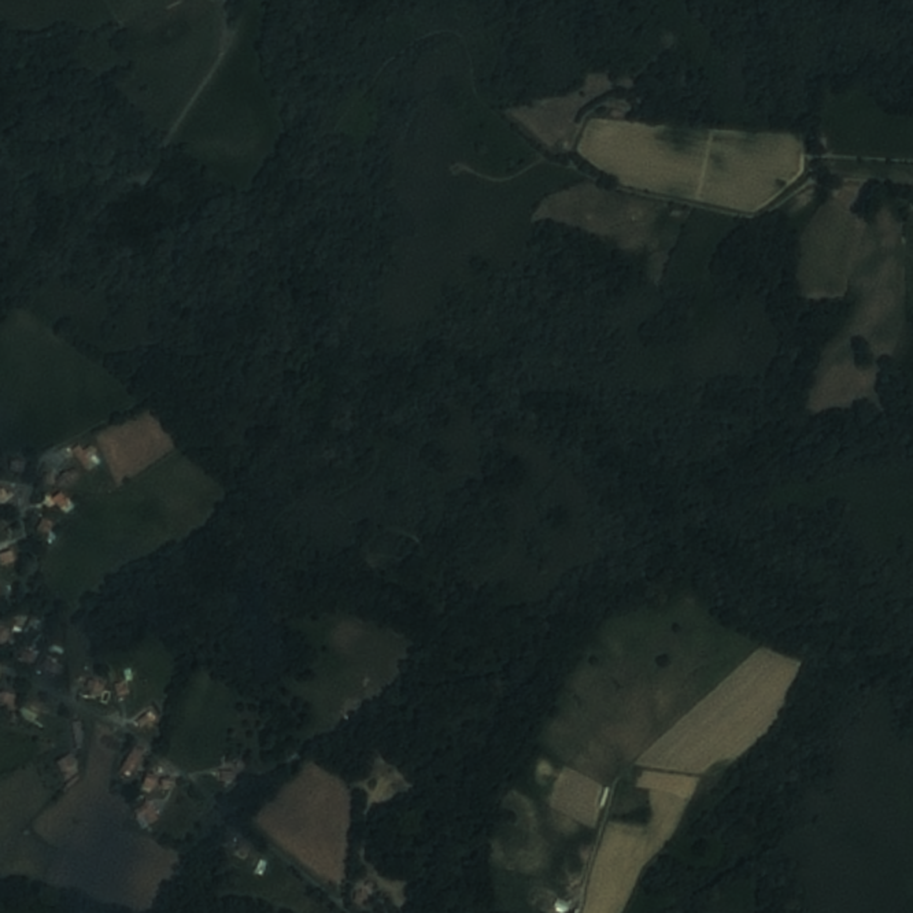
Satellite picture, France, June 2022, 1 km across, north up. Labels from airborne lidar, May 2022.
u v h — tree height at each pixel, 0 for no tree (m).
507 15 14
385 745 22
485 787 21
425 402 9
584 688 0
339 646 0
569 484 0
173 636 22
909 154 0
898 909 0
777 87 12
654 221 0
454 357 16
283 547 10
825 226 0
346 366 27
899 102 19
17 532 9
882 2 9
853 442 21
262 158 0
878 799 0
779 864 9
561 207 0
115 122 19
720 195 0
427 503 8
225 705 0
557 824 0
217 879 19
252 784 17
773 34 14
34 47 13
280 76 16
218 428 17
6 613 11
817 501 0
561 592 12
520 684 11
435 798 22
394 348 6
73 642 0
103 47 0
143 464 0
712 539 18
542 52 7
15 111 14
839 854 0
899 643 8
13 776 0
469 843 17
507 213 0
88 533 0
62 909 8
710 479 17
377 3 12
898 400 26
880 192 24
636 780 0
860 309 0
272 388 18
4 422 0
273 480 21
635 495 24
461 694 16
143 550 0
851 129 0
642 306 0
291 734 11
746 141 0
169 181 20
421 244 0
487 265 11
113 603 24
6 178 25
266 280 20
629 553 10
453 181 0
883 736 0
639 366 0
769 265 22
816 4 8
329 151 9
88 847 0
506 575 0
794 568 9
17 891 18
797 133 11
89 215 18
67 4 0
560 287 13
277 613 16
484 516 8
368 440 10
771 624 13
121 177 16
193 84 0
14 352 0
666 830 0
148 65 0
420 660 9
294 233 21
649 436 8
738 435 21
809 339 24
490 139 0
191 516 0
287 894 0
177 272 15
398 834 21
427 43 8
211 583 24
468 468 0
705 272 0
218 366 8
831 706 11
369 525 12
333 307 17
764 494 9
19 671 14
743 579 13
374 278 10
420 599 7
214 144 0
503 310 6
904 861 0
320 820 0
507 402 18
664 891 10
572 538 0
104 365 7
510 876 0
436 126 0
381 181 13
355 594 16
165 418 18
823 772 10
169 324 12
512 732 20
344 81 9
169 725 12
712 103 14
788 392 24
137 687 0
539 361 11
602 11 7
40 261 9
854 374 0
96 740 0
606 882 0
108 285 10
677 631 12
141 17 0
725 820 13
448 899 29
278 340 15
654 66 11
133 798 12
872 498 0
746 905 0
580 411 20
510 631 19
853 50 7
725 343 0
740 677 0
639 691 0
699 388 6
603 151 0
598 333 6
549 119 0
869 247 0
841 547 9
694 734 0
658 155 0
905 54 13
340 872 0
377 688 0
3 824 0
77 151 22
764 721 0
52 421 0
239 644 25
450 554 7
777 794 10
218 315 13
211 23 0
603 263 15
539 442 7
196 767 0
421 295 0
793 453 13
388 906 7
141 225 9
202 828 12
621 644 0
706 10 15
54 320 0
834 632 15
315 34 12
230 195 14
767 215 9
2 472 13
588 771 0
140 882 0
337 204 9
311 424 21
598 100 7
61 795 7
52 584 0
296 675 11
